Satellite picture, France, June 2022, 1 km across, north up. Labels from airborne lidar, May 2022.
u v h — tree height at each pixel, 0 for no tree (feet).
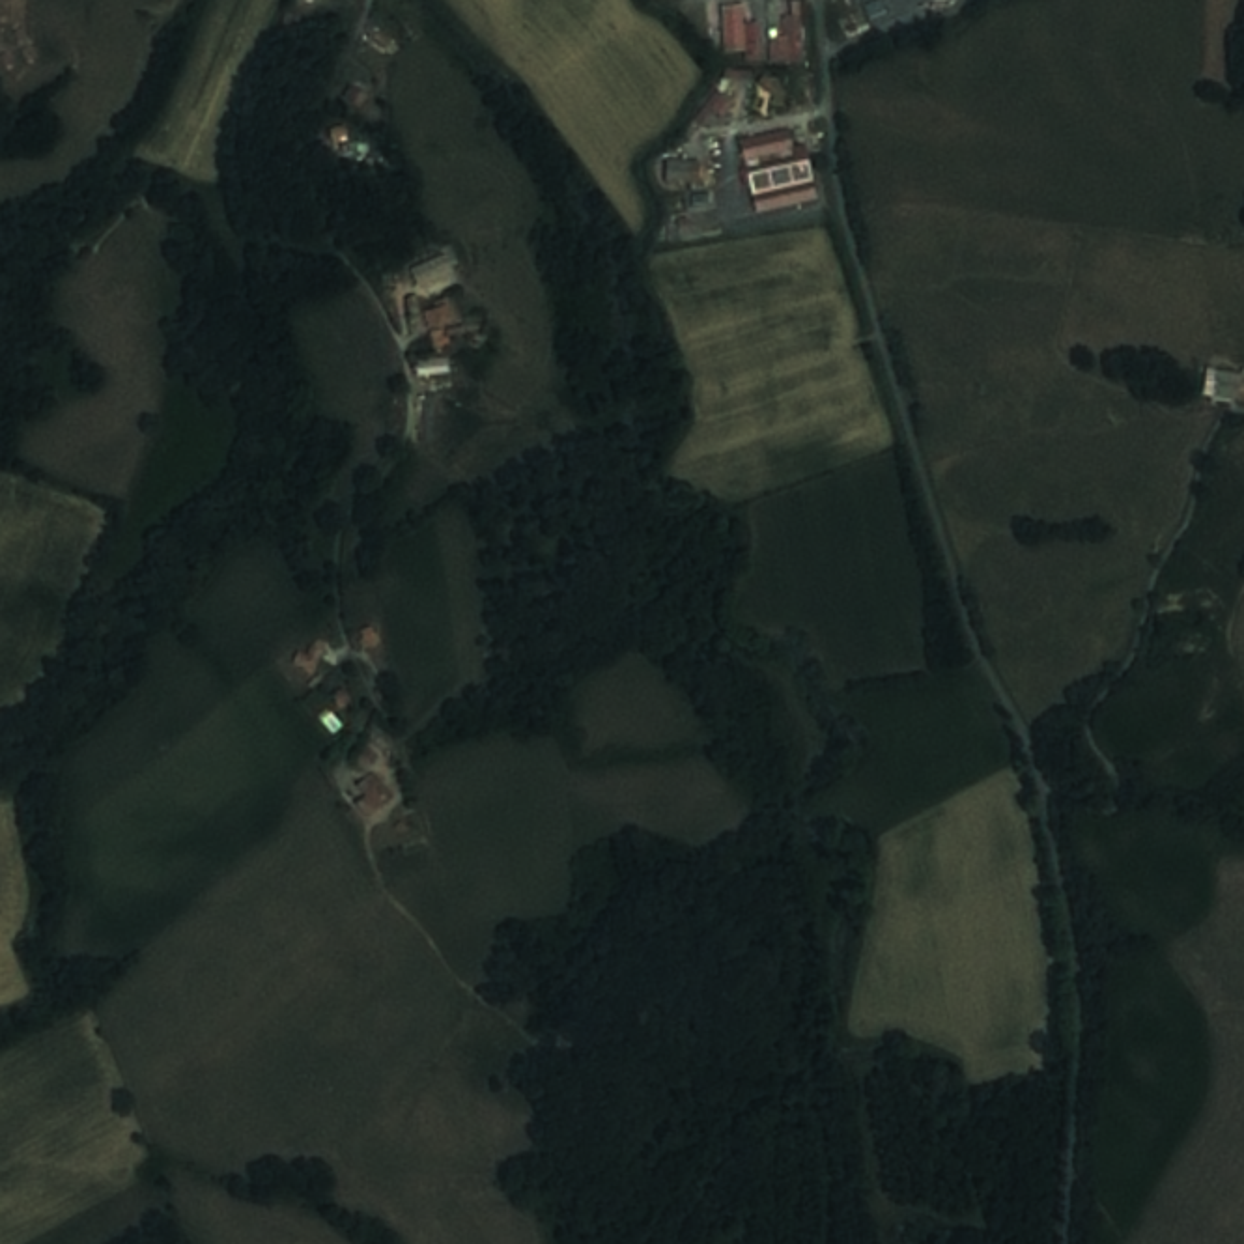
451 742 26
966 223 0
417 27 0
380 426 0
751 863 58
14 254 77
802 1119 65
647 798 0
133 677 70
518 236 0
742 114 0
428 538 0
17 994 0
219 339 87
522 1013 0
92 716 38
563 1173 64
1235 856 0
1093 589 0
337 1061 0
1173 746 0
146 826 0
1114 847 0
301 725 0
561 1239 50
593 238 49
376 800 0
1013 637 0
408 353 29
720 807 0
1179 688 0
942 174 0
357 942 0
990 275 0
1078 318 0
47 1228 0
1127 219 0
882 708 0
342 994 0
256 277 72
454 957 0
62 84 33
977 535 0
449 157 0
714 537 21
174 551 89
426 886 0
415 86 0
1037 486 0
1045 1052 96
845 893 82
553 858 0
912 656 0
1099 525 47
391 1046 0
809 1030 40
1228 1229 0
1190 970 0
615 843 56
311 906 0
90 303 0
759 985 101
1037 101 0
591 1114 81
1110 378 49
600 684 0
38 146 73
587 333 39
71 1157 0
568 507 82
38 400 55
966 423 0
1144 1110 0
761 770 47
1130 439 0
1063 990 77
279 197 68
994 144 0
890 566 0
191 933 0
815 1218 60
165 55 66
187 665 0
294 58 84
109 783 0
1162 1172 0
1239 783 21
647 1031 78
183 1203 0
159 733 0
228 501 67
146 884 0
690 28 24
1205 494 71
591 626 98
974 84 0
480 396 0
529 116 66
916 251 0
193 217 45
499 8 0
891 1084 62
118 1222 0
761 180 0
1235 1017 0
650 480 70
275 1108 0
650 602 43
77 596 40
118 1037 0
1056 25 0
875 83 0
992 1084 24
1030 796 60
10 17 0
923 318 0
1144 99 0
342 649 0
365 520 52
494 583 56
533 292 0
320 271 70
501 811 0
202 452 0
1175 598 0
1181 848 0
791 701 0
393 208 61
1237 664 0
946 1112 38
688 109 0
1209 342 0
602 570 81
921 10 0
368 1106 0
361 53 0
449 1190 0
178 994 0
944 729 0
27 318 43
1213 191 0
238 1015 0
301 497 31
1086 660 0
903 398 0
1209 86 53
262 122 83
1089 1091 67
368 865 0
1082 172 0
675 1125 69
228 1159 0
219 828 0
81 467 0
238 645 0
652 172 0
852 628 0
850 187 28
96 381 64
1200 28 0
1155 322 0
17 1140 0
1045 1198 81
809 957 65
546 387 0
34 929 20
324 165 77
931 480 0
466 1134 0
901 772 0
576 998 85
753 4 0
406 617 0
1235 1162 0
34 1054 0
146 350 0
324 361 0
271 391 72
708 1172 56
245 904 0
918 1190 70
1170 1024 0
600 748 0
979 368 0
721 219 0
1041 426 0
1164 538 0
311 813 0
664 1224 63
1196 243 0
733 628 55
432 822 0
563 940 39
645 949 84
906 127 0
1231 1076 0
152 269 0
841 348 0
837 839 98
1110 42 0
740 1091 82
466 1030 0
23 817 33
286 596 0
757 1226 56
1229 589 0
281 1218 0
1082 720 29
